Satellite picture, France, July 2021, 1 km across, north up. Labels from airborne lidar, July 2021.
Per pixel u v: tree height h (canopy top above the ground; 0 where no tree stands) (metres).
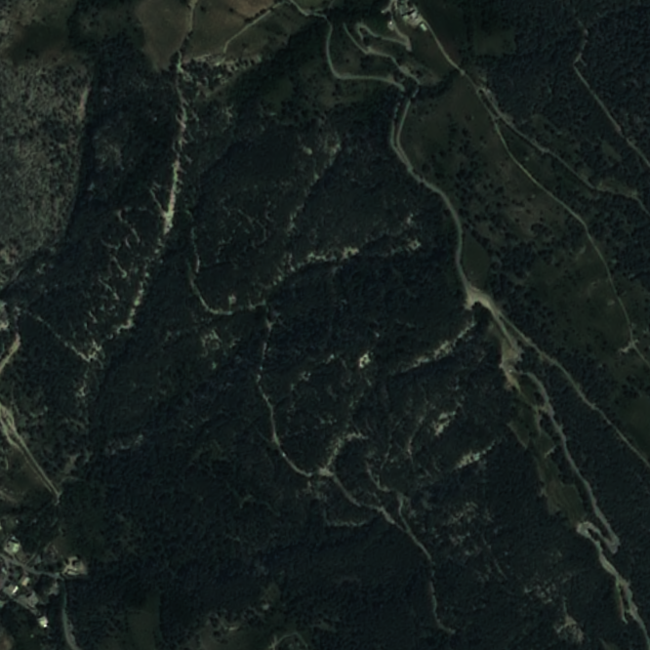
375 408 13
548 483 0
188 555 6
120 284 6
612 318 0
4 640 0
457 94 0
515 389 14
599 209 9
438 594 9
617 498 9
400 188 15
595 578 7
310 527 20
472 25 10
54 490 0
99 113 15
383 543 17
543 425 10
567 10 11
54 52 0
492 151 0
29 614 12
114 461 14
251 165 16
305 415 17
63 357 9
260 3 0
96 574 15
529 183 0
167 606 19
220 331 12
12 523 0
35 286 13
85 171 11
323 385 12
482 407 10
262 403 9
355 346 6
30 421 9
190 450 8
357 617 18
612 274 9
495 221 13
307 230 12
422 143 0
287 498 7
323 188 13
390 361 16
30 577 6
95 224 17
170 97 8
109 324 11
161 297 14
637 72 11
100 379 10
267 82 16
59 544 0
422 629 15
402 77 14
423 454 15
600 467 8
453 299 9
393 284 19
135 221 7
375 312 13
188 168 11
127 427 18
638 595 8
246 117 15
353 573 16
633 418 0
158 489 14
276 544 6
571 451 12
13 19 0
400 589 25
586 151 9
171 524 14
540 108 9
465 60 8
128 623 8
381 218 7
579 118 11
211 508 17
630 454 10
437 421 6
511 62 14
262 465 17
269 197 8
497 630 12
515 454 12
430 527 16
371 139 7
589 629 10
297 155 10
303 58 11
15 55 0
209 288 9
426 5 0
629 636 13
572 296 0
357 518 13
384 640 13
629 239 9
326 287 20
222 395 9
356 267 16
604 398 12
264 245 8
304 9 0
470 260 0
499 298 14
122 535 10
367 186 6
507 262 15
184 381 26
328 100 0
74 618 7
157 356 15
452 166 0
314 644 11
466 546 14
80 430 8
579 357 12
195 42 0
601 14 10
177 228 17
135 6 0
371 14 9
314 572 15
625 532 11
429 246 20
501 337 0
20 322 13
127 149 15
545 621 17
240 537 17
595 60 12
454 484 14
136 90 7
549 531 7
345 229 6
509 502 16
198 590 14
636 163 10
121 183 11
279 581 7
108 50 12
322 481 9
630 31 16
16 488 0
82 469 8
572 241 6
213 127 9
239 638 0
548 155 7
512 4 14
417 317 13
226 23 0
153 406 15
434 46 0
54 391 14
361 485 13
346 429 7
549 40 15
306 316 17
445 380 14
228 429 15
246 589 16
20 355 8
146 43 0
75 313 14
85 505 6
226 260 12
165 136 8
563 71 9
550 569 7
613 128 8
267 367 14
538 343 13
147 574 17
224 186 12
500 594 14
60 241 10
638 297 0
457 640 17
